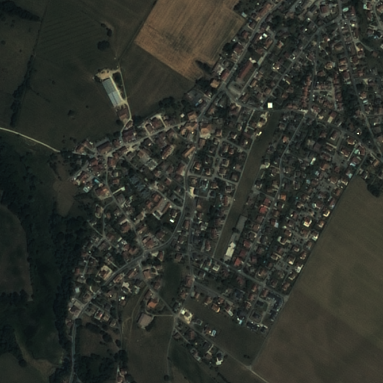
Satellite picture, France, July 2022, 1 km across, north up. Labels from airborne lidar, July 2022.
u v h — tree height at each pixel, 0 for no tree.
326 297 0
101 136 0
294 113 8
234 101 0
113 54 0
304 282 0
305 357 0
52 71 0
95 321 6
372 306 0
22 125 0
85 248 7
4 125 0
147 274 0
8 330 17
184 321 0
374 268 0
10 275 0
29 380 0
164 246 0
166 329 0
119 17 0
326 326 0
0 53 0
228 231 0
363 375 0
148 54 0
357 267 0
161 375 0
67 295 22
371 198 0
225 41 0
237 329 0
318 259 0
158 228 6
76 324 8
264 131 0
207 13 0
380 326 0
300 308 0
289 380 0
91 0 0
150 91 0
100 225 7
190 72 0
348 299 0
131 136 0
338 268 0
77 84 0
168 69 0
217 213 9
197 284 0
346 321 0
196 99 0
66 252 22
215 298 7
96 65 0
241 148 0
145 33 0
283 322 0
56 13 0
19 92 12
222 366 0
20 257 0
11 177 7
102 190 0
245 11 8
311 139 12
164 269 0
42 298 0
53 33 0
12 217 0
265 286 0
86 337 0
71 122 0
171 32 0
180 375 0
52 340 0
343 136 0
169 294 0
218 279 8
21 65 0
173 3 0
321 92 6
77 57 0
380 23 0
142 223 8
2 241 0
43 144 0
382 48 0
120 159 0
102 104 0
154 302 0
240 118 0
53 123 0
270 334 0
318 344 0
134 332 0
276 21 13
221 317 0
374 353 0
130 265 0
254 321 0
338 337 0
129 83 0
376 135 5
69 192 0
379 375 0
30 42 0
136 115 0
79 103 0
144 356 0
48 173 0
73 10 0
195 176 0
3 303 14
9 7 16
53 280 0
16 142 0
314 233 0
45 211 0
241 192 0
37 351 0
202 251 0
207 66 12
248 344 0
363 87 17
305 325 0
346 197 0
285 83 7
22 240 0
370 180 10
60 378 12
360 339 0
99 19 0
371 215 0
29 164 0
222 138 0
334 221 0
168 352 0
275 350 0
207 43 0
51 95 0
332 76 9
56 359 0
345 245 0
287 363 0
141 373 0
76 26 0
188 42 0
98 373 0
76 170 11
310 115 0
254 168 0
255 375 0
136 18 0
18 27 0
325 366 0
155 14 0
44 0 0
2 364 0
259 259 12
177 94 0
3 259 0
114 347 0
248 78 0
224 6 0
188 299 0
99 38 0
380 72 8
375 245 0
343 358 0
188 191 0
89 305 7
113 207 0
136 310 0
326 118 0
